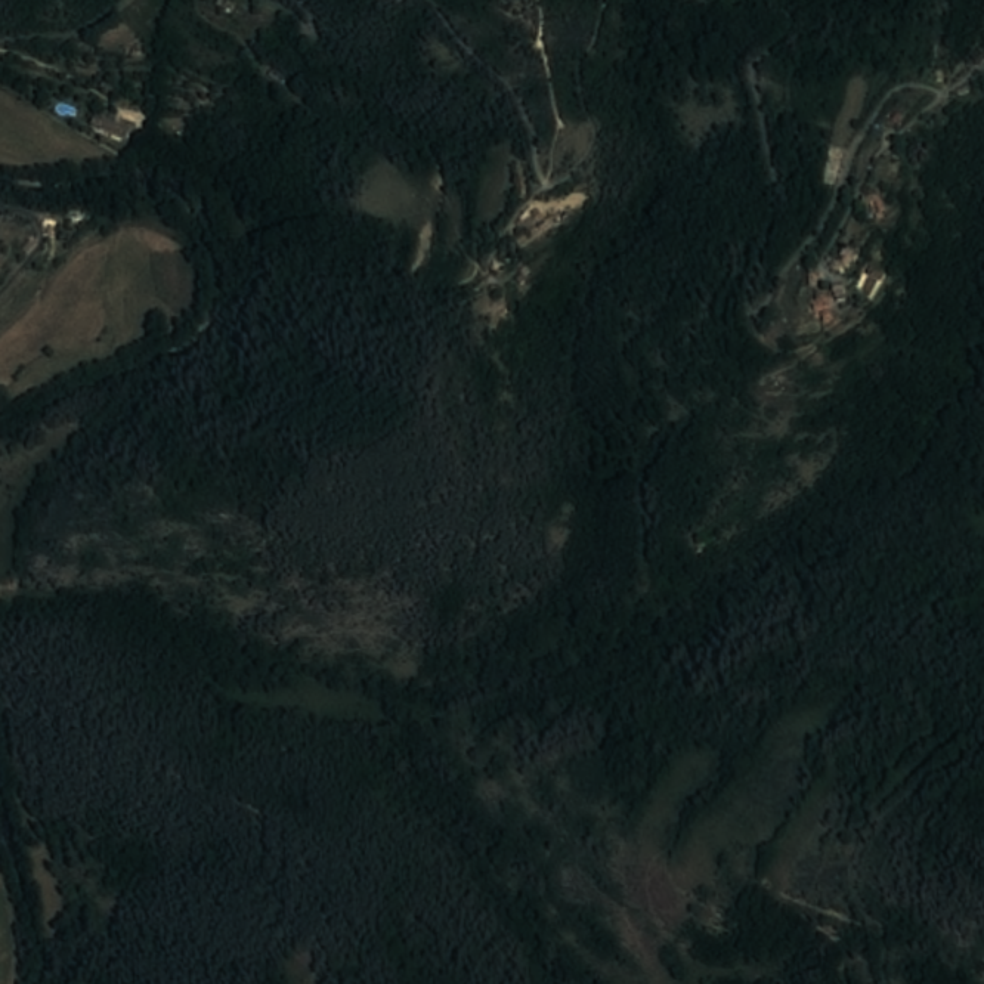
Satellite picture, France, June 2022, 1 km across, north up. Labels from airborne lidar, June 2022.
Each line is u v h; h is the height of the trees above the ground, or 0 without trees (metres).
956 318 23
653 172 27
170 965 22
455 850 14
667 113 15
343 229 15
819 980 18
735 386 6
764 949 15
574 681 6
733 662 24
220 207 10
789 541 19
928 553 18
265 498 10
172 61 14
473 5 6
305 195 13
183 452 20
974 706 17
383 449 12
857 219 11
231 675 26
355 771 13
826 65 11
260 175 21
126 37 0
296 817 19
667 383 10
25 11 18
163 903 21
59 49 13
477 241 8
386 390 17
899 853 9
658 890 0
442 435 16
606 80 17
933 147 10
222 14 8
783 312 0
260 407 23
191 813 21
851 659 26
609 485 20
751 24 23
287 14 9
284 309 13
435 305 9
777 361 6
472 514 14
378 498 14
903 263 7
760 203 20
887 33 11
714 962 9
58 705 17
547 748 17
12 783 19
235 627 7
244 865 23
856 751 8
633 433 12
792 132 9
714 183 16
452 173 16
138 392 19
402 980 12
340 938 16
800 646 15
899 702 22
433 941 18
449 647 13
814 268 11
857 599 18
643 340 12
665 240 16
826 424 7
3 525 0
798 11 20
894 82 8
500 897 20
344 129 16
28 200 13
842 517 17
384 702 21
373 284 18
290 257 18
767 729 10
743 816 0
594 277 11
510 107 16
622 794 9
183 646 19
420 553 16
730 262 10
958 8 9
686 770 0
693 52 11
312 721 15
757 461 7
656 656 24
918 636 25
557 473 17
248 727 21
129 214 25
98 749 14
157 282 0
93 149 0
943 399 18
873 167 8
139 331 0
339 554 18
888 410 7
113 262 0
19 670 17
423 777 25
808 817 0
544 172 0
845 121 0
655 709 9
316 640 0
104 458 16
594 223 14
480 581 16
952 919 12
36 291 0
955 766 10
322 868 18
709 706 15
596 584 22
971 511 21
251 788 21
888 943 15
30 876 20
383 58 16
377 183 0
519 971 30
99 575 0
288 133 24
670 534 7
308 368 14
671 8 17
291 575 10
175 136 9
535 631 28
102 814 13
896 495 23
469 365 14
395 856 15
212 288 19
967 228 18
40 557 0
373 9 10
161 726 20
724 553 11
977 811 21
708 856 0
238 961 18
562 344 20
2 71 14
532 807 0
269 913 22
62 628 23
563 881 0
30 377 0
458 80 13
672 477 16
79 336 0
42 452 0
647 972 0
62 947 26
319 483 15
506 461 18
